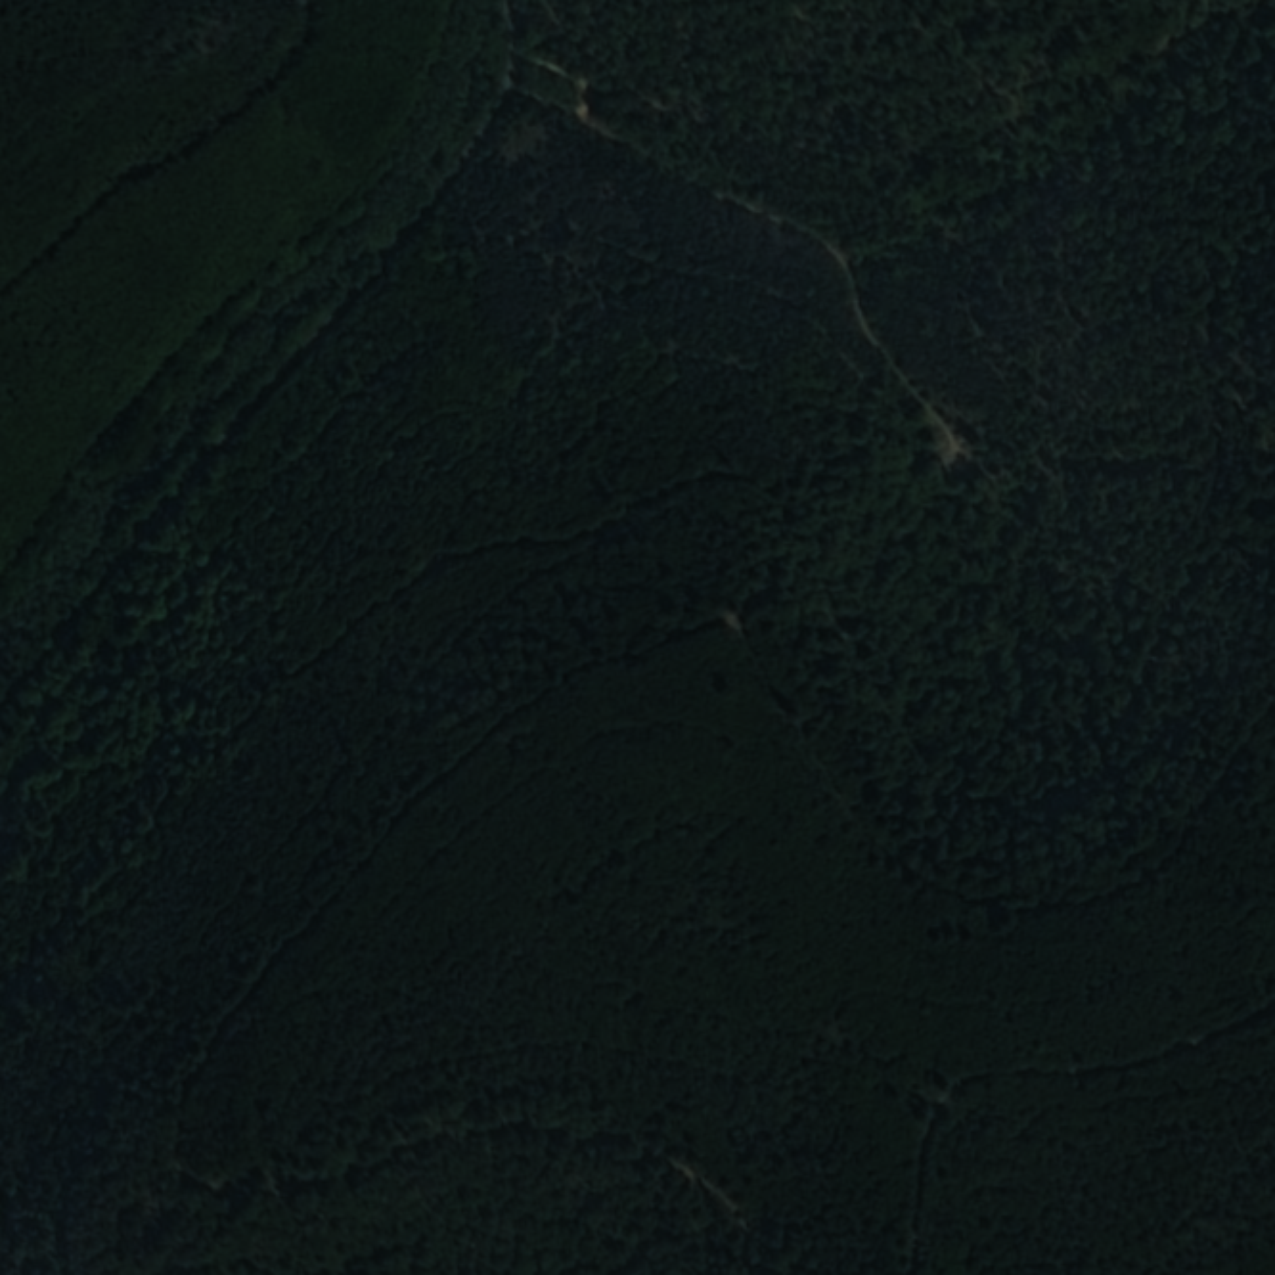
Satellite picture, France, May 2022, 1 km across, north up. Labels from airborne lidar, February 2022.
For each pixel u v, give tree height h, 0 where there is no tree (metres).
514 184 15
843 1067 10
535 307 13
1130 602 39
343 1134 26
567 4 28
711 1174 14
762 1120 17
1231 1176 13
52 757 9
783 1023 14
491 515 17
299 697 16
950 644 29
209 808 13
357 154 21
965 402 11
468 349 15
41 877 12
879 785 32
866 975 14
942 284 12
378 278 15
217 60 21
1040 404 25
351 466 12
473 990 11
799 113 20
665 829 11
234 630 10
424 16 23
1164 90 37
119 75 15
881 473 33
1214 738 37
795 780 14
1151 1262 9
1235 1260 11
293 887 12
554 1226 27
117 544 19
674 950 11
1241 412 35
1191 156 35
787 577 36
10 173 24
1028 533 34
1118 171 33
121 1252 18
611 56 30
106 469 17
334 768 14
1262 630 25
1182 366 30
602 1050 15
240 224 25
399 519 12
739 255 16
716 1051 12
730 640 12
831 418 22
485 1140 32
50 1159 28
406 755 14
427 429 14
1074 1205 8
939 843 36
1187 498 34
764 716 14
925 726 33
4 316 25
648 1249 37
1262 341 26
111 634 13
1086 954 18
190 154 22
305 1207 24
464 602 14
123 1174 23
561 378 13
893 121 33
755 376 11
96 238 21
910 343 13
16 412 22
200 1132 15
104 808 12
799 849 13
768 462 17
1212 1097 11
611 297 16
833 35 32
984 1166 15
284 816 17
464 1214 30
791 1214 13
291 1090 10
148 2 20
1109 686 40
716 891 14
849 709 36
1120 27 36
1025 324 28
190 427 9
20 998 42
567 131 15
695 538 12
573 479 16
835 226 16
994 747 39
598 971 13
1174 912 19
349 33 20
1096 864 40
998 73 35
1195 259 27
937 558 33
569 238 25
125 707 35
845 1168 12
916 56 36
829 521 37
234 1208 30
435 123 27
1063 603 37
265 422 13
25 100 21
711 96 32
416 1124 29
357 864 15
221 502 14
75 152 26
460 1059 16
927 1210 12
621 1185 30
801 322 20
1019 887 33
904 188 27
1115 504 47
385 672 10
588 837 14
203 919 13
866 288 21
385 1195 31
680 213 11
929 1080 7
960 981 15
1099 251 29
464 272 21
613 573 17
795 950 12
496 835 14
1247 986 13
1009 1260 8
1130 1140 13
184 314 23
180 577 10
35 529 15
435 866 11
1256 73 36
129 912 13
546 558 17
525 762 15
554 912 10
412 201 29
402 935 12
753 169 21
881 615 28
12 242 25
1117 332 29
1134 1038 15
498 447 15
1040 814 29
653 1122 31
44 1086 15
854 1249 10
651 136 32
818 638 35
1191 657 33
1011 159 34
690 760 15
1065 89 27
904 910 16
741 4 24
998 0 31
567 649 16
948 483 38
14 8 24
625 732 15
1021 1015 18
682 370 12
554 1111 34
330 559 16
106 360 26
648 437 12
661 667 18
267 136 18
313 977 16
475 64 24
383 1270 39
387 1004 11
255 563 12
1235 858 17
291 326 25
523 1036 17
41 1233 39
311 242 21
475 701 35
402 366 14
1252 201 35
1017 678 37
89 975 14
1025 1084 9
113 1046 10
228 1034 11
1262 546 38
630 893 11
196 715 12
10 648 29
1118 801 35
